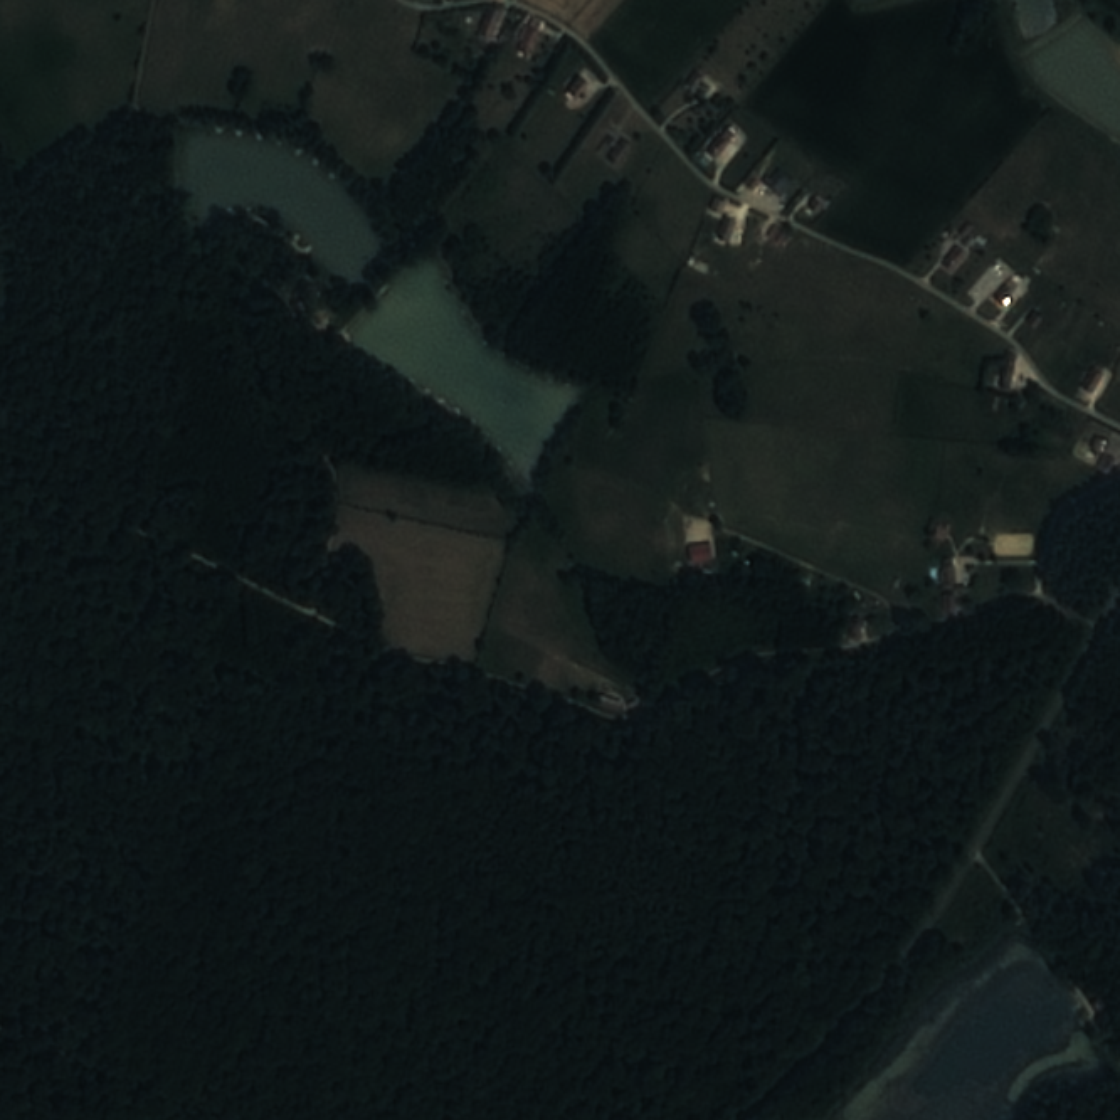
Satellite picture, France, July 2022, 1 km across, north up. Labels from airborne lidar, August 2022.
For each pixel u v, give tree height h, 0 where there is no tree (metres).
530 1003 23
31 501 14
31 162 0
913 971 18
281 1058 17
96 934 24
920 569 0
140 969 25
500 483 18
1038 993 0
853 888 27
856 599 8
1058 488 0
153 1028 23
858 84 0
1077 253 0
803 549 0
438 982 25
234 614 6
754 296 0
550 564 0
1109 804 21
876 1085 0
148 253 15
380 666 23
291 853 22
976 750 23
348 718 21
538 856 16
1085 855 0
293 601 9
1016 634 18
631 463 0
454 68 10
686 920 18
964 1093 0
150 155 0
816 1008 26
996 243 0
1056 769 23
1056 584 27
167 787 24
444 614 0
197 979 18
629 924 15
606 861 14
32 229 21
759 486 0
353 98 0
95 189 0
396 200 18
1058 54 0
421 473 14
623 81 0
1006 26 0
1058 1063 0
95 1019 22
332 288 19
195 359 10
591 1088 22
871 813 27
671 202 0
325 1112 22
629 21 0
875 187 0
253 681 20
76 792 24
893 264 0
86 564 24
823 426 0
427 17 7
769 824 28
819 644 9
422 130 0
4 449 20
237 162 0
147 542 7
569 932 17
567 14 0
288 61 0
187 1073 21
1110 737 16
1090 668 14
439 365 0
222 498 13
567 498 0
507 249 0
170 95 0
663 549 0
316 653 13
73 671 20
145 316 19
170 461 9
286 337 33
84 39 0
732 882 24
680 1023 26
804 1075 22
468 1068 21
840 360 0
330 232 0
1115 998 20
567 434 13
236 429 8
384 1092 20
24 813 20
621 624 19
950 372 0
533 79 9
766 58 7
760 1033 24
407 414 7
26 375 22
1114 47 0
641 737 26
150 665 23
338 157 18
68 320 20
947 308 0
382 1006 22
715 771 29
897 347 0
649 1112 22
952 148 0
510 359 17
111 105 0
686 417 0
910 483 0
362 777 21
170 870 24
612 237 13
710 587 21
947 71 0
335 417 24
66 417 23
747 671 27
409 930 28
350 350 21
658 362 0
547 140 0
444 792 24
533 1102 23
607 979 21
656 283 0
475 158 18
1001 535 0
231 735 18
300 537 22
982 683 23
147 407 13
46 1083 21
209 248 17
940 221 0
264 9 0
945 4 0
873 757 22
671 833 24
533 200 0
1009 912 18
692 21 0
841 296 0
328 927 19
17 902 17
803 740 21
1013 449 16
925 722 20
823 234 0
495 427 0
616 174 0
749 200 0
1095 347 0
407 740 25
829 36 0
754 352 0
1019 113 0
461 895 21
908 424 0
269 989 21
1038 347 0
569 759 26
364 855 23
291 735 18
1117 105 0
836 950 22
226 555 7
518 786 17
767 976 24
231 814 24
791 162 0
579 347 14
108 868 25
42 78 0
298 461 10
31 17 0
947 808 24
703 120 6
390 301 0
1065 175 0
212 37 0
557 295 22
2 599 11
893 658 18
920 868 20
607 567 0
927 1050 0
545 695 20
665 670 22
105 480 26
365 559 19
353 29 0
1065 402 0
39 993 22
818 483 0
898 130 0
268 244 24
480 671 16
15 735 17
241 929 14
